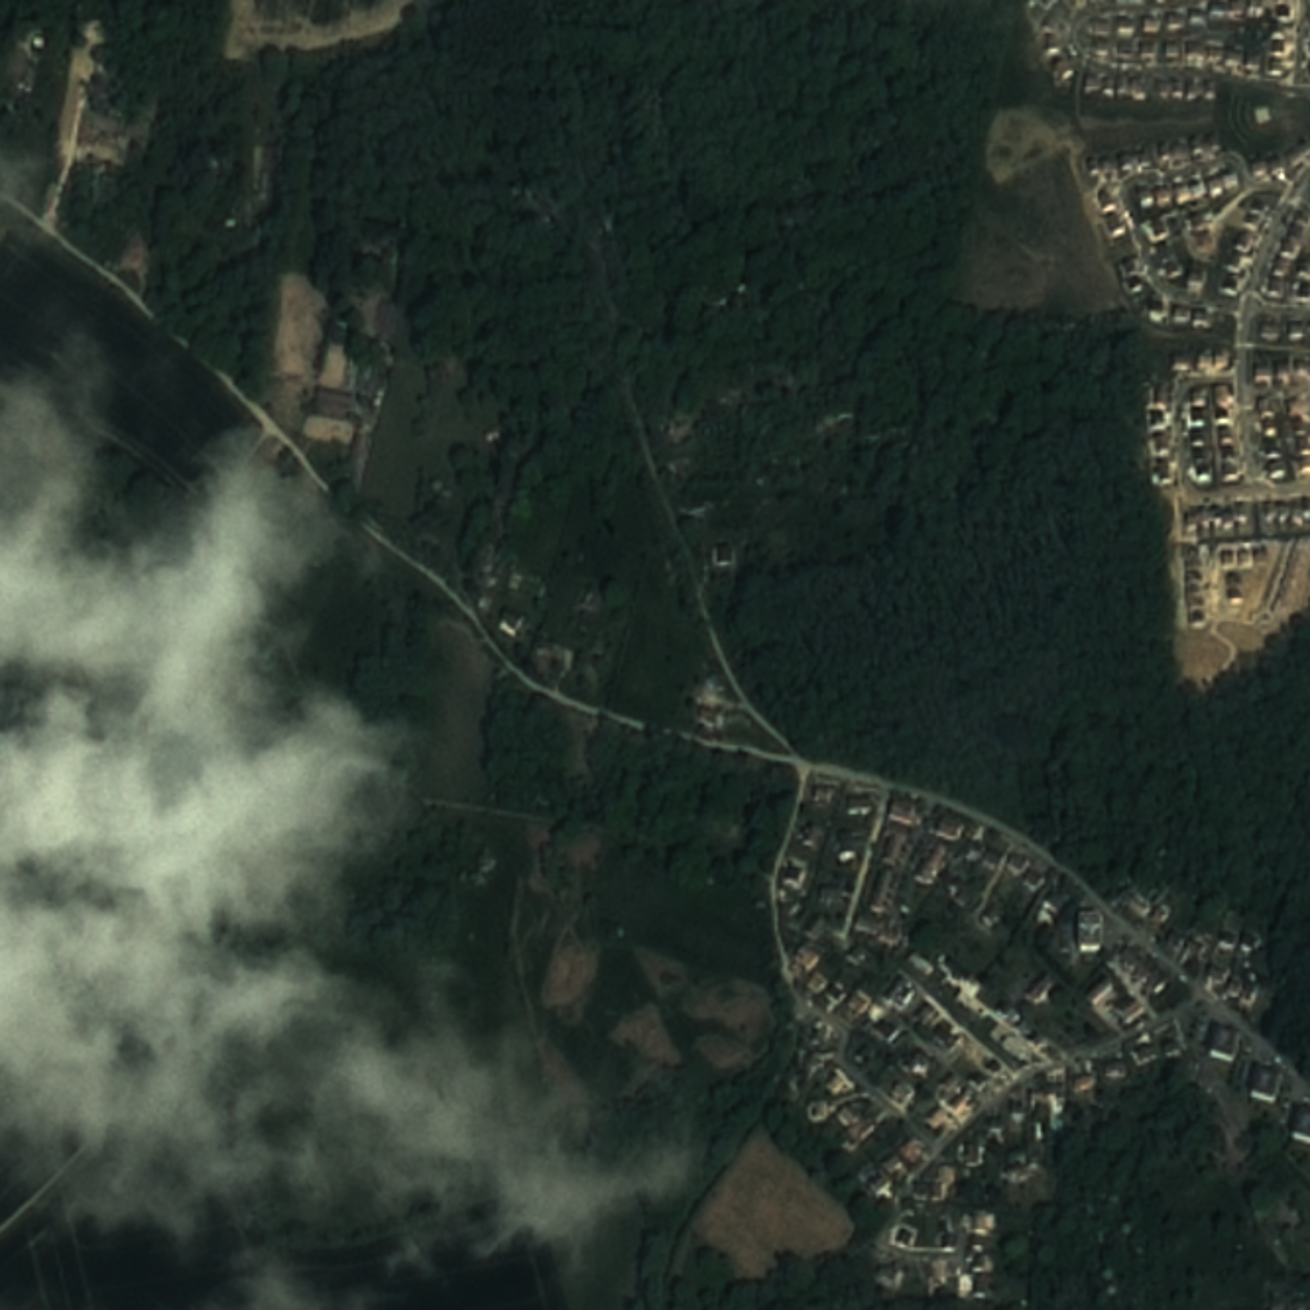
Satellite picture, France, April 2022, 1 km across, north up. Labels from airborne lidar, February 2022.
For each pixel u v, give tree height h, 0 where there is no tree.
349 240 19
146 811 10
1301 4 0
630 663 0
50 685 13
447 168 26
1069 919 13
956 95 26
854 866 8
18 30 19
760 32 22
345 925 5
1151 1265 7
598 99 15
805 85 16
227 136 8
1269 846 25
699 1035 0
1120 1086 0
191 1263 0
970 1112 0
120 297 7
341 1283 0
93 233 10
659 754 21
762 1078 6
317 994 0
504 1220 0
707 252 24
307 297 0
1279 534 0
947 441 21
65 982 0
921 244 20
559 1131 14
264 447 0
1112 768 21
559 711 17
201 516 0
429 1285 0
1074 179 0
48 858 8
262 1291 0
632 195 23
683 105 20
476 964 0
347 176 23
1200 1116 14
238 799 24
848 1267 13
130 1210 0
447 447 0
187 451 0
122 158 0
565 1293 0
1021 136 0
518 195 11
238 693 19
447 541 0
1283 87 0
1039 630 27
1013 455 25
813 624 32
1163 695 23
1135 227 0
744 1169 0
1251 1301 0
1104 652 27
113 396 0
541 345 20
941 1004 0
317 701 0
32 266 0
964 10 24
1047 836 9
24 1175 0
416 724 20
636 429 13
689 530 17
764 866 16
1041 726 25
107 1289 0
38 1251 0
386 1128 0
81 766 13
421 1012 0
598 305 21
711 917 0
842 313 25
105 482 26
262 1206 24
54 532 28
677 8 19
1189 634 0
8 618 17
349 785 16
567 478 15
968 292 0
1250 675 17
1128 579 28
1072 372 16
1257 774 23
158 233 13
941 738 22
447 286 22
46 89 0
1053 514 26
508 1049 0
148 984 0
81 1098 0
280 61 18
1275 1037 25
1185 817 7
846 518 22
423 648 14
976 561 28
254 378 13
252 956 8
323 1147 0
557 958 0
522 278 20
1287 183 0
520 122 29
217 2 9
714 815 20
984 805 18
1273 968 17
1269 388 0
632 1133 16
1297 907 17
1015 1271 8
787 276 23
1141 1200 15
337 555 9
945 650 30
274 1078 0
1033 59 0
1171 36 0
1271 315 0
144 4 12
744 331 21
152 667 17
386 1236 7
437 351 20
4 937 0
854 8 12
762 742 0
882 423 21
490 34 34
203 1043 0
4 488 26
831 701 27
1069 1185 10
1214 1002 0
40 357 0
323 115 18
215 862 8
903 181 8
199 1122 0
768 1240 0
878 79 13
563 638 0
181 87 16
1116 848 14
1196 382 0
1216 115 0
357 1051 0
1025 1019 15
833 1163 14
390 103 26
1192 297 0
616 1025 0
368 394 0
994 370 22
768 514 0
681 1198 22
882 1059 8
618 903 0
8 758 22
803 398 7
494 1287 0
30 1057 0
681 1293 16
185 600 20
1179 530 0
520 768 18
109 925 8
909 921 6
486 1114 0
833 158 19
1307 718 25
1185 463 0
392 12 0
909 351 22
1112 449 27
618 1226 0
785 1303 18
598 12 8
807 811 9
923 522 26
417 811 13
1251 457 0
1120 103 0
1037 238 0
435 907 23
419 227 22
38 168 0
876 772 12
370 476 0
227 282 20
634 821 10
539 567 0
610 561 0
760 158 25
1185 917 0
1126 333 16
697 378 15
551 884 13
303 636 0
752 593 25
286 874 23
